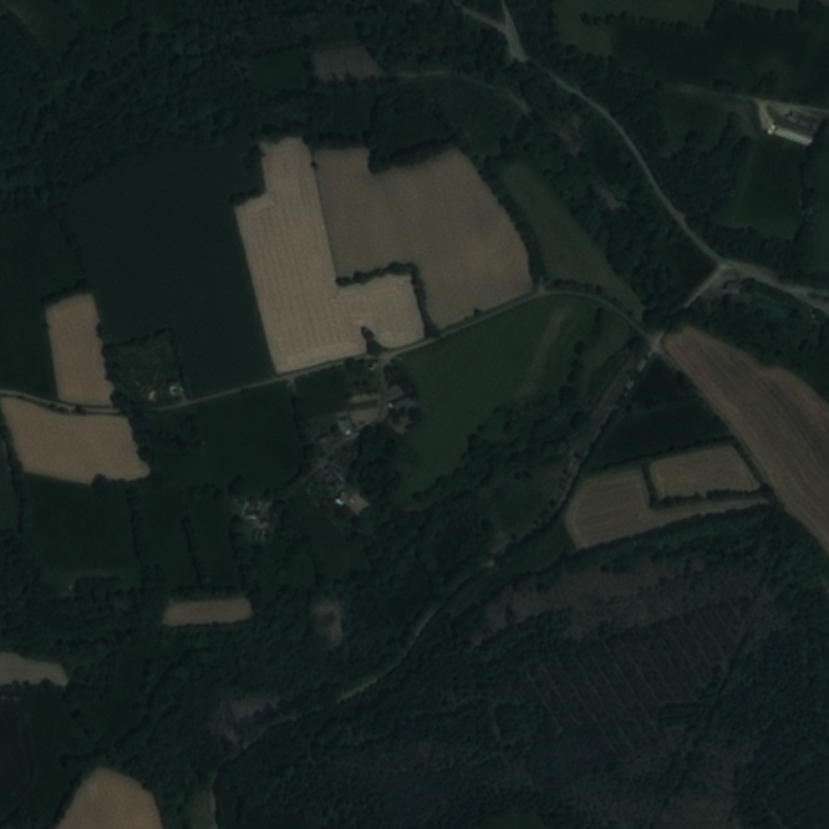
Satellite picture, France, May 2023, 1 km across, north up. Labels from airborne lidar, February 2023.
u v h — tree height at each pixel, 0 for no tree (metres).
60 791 0
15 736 0
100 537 0
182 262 0
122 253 0
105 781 0
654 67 0
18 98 10
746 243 14
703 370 0
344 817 17
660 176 17
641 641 13
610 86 13
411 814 6
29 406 0
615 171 0
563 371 0
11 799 0
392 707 16
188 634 12
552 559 0
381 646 14
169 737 16
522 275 0
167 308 0
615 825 7
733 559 11
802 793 13
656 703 10
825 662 24
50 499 0
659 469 0
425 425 0
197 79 22
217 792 19
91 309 0
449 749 13
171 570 0
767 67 0
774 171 0
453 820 18
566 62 9
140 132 17
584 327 0
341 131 0
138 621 16
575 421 16
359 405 0
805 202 11
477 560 15
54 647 10
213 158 0
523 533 0
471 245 0
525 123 18
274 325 0
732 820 6
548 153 10
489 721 15
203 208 0
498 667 19
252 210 0
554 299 0
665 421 0
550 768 8
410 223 0
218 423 0
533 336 0
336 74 0
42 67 16
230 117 15
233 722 0
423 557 12
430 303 0
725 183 6
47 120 28
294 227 0
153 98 11
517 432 7
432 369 0
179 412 0
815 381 9
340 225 0
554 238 0
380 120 21
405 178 0
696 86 0
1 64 16
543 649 15
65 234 8
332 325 0
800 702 21
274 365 0
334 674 13
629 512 0
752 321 13
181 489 0
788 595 15
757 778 16
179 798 15
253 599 12
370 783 7
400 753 12
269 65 0
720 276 0
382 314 0
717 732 7
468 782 7
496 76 24
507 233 0
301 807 21
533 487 0
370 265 0
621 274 24
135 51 7
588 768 6
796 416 0
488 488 12
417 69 13
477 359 0
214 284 0
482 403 0
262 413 0
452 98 0
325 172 0
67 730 0
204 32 26
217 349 0
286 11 8
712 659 10
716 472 0
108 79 10
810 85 0
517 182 0
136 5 22
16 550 13
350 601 10
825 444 0
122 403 22
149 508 0
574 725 14
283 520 8
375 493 18
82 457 0
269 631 12
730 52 0
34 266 0
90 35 15
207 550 0
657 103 7
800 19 14
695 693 8
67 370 0
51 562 0
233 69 10
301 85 0
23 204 16
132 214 0
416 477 0
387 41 9
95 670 6
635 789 9
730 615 12
